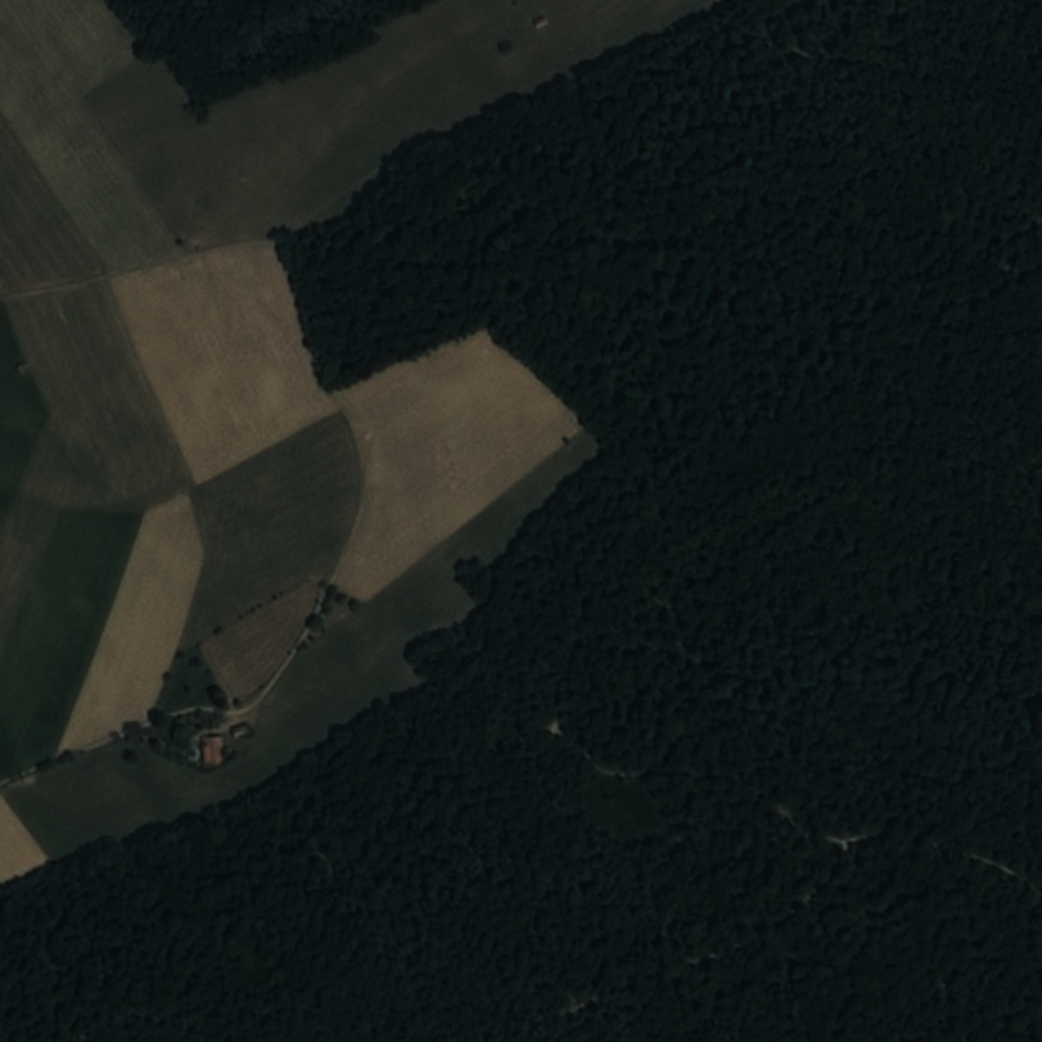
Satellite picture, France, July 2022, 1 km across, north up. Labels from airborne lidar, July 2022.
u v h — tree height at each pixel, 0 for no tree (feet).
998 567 117
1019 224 85
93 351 0
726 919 55
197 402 0
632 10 0
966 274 83
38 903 78
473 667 78
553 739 39
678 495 53
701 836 88
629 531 72
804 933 76
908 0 89
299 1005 58
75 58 0
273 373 0
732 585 96
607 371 84
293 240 59
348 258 76
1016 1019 82
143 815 0
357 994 49
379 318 78
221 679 0
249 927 60
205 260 0
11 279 0
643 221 101
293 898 71
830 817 75
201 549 0
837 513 88
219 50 58
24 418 0
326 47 67
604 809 0
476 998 60
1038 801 87
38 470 0
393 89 0
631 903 54
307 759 51
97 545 0
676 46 80
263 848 72
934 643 113
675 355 94
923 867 72
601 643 73
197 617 0
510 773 51
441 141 78
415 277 72
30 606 0
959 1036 82
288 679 0
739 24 81
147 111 0
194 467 0
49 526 0
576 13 0
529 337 74
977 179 89
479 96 0
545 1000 66
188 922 82
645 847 55
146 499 0
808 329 89
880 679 100
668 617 90
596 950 59
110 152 0
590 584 73
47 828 0
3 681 0
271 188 0
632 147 94
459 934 67
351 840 73
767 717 34
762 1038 64
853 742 94
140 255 0
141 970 43
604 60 43
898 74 72
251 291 0
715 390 92
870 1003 82
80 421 0
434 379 0
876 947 86
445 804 67
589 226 88
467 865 75
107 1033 47
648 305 92
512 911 72
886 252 75
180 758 30
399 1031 47
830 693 99
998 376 82
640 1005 61
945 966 89
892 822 43
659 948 83
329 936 58
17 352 0
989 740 127
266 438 0
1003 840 74
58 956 62
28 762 0
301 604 0
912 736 105
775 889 89
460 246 77
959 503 88
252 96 0
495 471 0
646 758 72
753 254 90
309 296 52
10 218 0
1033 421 72
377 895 77
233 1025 52
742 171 85
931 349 62
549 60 0
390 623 0
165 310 0
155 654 0
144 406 0
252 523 0
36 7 0
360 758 79
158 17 65
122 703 0
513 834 57
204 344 0
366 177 0
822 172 92
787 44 86
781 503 90
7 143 0
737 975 75
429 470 0
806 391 88
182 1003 54
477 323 67
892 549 79
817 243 93
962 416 83
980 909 79
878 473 87
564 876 21
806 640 119
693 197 100
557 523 67
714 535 82
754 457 55
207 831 83
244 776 0
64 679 0
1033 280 72
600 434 41
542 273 89
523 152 77
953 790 91
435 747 82
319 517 0
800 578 106
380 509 0
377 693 0
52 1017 40
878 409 65
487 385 0
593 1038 34
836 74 89
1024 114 88
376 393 0
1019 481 80
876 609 97
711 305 89
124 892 82
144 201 0
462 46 0
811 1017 75
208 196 0
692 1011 41
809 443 67
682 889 74
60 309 0
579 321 87
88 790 0
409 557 0
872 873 75
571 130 89
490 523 0
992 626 86
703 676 100
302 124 0
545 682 72
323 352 53
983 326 76
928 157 77
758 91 94
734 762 86
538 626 67
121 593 0
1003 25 72
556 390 56
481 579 67
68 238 0
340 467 0
